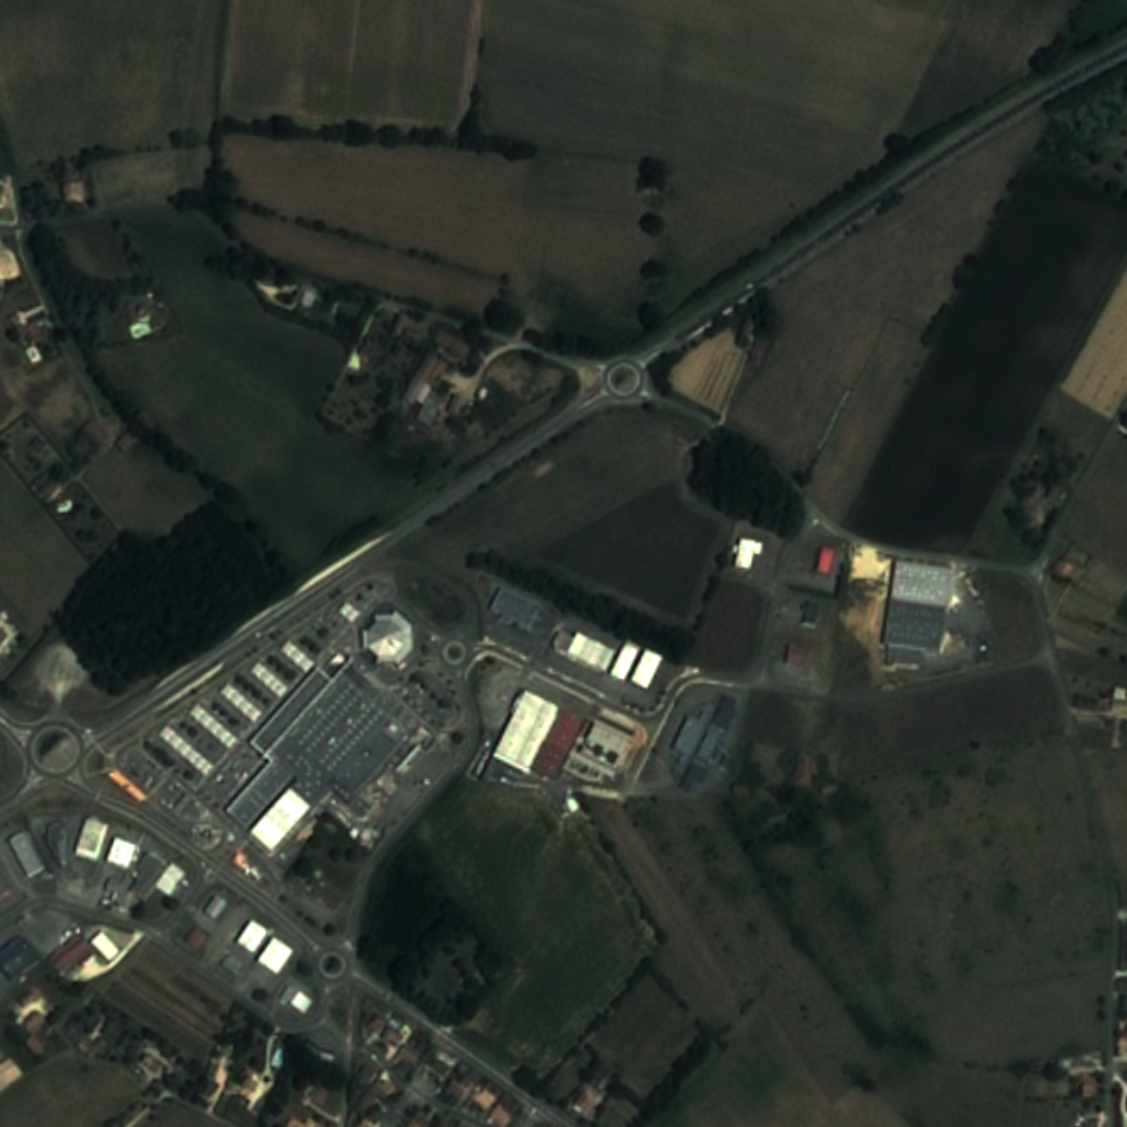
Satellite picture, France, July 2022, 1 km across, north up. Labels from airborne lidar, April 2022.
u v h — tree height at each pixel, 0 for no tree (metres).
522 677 0
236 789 0
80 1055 0
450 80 0
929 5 0
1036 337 0
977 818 0
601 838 6
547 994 0
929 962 0
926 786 0
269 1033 9
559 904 0
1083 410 0
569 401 0
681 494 0
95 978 0
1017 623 0
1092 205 0
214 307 0
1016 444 0
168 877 0
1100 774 0
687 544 0
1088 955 0
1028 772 0
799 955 0
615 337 0
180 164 0
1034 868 0
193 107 0
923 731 0
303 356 0
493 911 0
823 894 0
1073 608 0
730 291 0
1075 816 0
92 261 0
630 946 0
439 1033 0
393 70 0
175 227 0
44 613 0
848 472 0
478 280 0
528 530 0
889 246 0
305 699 0
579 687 0
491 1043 0
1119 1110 0
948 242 0
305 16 0
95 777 0
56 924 0
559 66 0
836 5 0
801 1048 0
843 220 0
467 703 0
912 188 0
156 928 0
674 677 0
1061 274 0
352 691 0
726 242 0
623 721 0
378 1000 0
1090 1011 0
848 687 0
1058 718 0
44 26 0
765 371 0
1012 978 0
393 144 13
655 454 0
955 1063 0
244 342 0
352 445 0
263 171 0
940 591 0
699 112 0
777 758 0
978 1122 0
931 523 0
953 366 0
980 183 0
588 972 0
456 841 0
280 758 0
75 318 11
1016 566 0
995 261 0
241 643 0
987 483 0
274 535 0
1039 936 0
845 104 0
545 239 0
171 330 0
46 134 0
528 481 0
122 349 0
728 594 0
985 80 0
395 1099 6
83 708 0
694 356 0
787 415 0
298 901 0
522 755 0
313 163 0
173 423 0
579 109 0
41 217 18
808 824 11
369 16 0
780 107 0
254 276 18
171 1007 0
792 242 0
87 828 0
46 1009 0
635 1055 0
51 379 0
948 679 0
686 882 0
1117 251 0
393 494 0
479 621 0
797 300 0
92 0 0
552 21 0
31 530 0
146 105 0
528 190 0
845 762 0
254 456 0
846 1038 0
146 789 0
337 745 0
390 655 0
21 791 0
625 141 0
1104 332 0
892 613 0
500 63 0
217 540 16
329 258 0
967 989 0
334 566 0
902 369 0
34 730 0
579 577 0
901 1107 0
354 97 0
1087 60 0
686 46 0
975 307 0
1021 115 0
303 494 0
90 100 0
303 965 7
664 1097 11
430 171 0
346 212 0
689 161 0
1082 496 0
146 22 0
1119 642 0
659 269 12
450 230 0
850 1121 0
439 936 21
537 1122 0
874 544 0
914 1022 0
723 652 0
